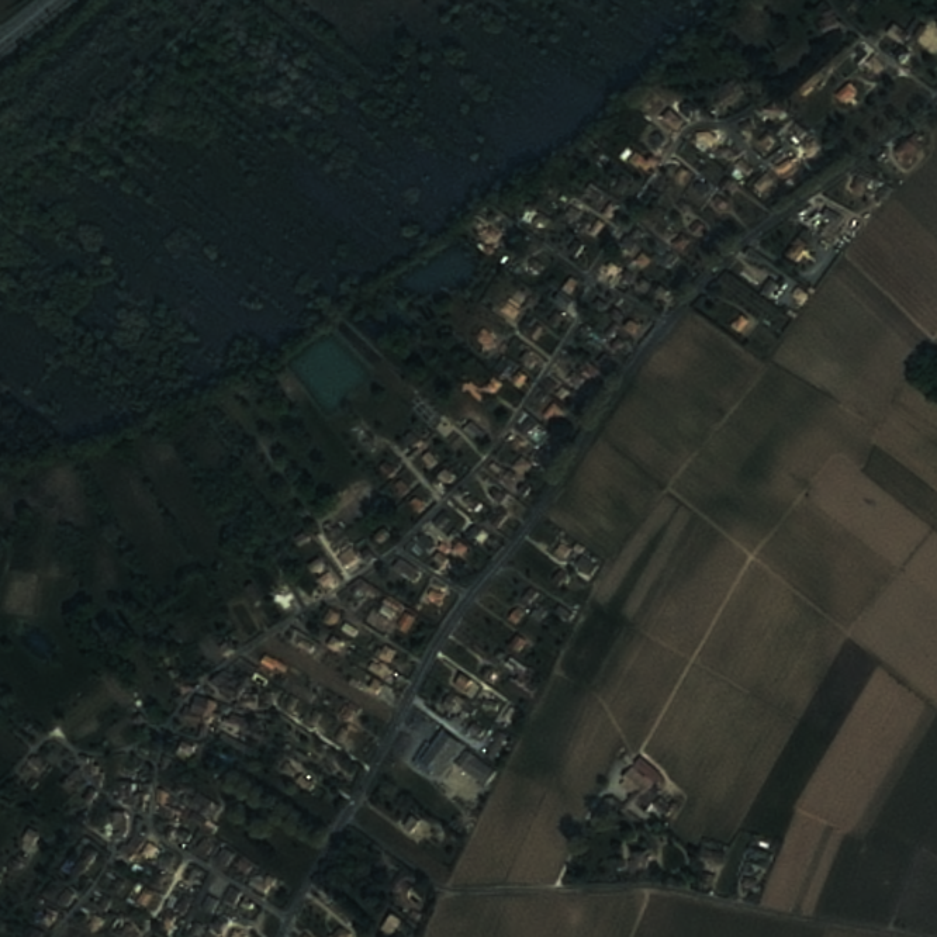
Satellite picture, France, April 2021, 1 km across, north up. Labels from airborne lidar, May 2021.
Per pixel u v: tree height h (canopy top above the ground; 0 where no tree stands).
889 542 0
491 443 14
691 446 0
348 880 17
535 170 23
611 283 0
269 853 10
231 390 13
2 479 15
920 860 0
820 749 0
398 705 0
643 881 15
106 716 0
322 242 0
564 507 0
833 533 0
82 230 7
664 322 0
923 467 0
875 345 0
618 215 10
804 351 0
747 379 0
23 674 0
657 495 0
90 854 0
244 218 0
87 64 10
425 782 0
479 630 0
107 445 16
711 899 0
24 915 9
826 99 0
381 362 0
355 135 0
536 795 0
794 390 0
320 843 22
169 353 12
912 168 0
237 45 21
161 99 20
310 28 11
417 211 0
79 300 7
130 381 10
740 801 0
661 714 0
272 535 15
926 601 0
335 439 0
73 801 0
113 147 8
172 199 0
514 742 0
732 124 0
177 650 10
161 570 0
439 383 0
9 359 0
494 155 0
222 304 0
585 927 0
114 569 0
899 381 0
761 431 0
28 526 7
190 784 9
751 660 0
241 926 0
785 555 0
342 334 0
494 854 0
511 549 0
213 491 11
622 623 0
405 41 19
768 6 10
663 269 5
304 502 8
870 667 0
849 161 23
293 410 13
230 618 9
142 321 6
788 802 0
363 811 0
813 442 0
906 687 0
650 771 0
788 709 0
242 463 13
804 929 0
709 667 0
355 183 0
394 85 10
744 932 0
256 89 14
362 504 0
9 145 15
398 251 0
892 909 0
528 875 0
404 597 8
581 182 7
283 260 0
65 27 14
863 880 0
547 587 0
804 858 0
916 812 0
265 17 16
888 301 0
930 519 0
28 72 13
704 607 0
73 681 0
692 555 0
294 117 10
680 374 0
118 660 22
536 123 0
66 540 8
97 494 15
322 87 10
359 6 0
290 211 0
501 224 0
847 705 0
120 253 0
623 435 0
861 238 0
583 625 0
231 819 15
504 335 0
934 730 0
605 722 0
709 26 20
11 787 6
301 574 0
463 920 0
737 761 0
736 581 0
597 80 0
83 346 14
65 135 15
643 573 0
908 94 0
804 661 0
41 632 0
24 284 12
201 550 0
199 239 6
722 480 0
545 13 12
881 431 0
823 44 10
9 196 16
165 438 9
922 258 0
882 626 0
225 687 0
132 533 0
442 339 13
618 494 0
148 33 10
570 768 0
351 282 14
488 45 0
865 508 0
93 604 16
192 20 11
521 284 8
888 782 0
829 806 0
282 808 25
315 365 0
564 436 14
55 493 0
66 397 0
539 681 6
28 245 9
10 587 0
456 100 0
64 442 18
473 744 0
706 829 0
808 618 0
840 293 0
